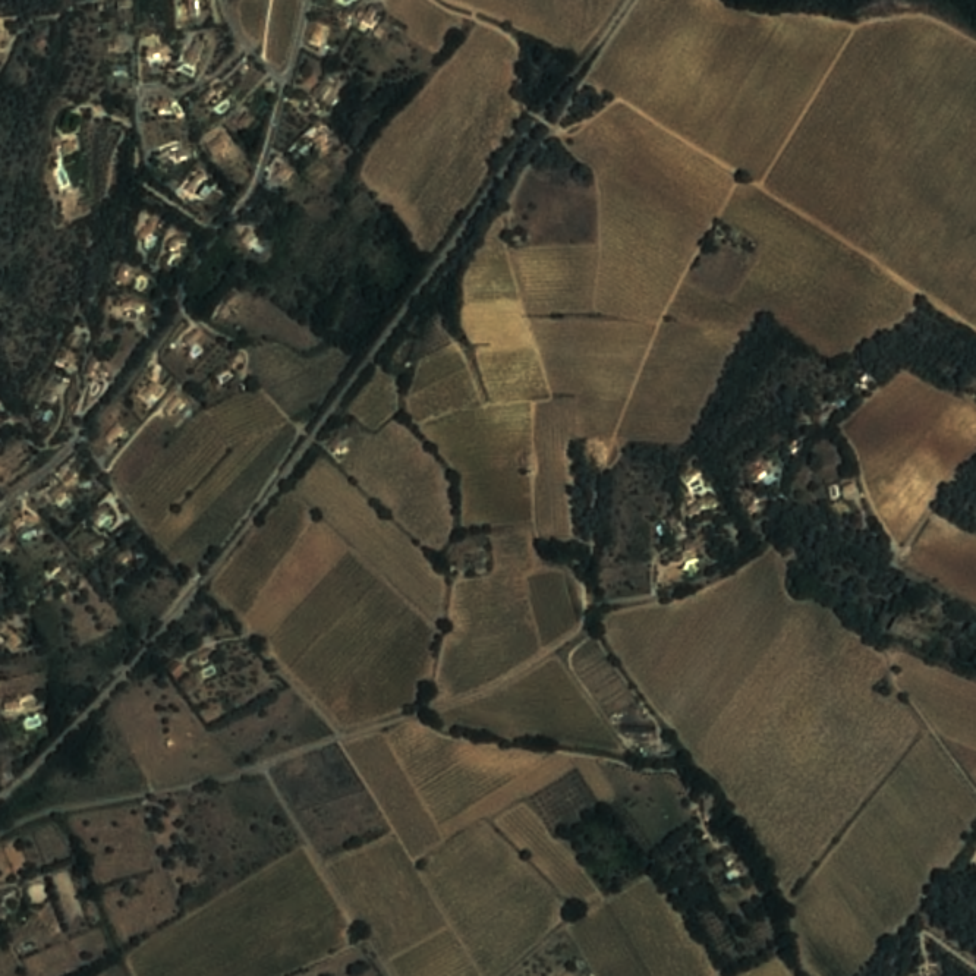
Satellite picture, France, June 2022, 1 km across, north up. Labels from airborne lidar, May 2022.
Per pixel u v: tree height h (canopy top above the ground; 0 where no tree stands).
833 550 11
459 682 0
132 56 6
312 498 0
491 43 0
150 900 0
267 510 8
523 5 0
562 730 0
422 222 0
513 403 0
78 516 10
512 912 0
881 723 0
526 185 0
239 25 0
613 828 6
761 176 0
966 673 6
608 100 13
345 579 0
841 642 0
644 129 0
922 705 0
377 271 6
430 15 0
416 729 0
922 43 0
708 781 13
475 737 15
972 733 0
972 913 23
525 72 17
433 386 0
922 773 0
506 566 0
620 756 6
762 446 8
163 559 13
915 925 18
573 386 0
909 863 0
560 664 0
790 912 17
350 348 17
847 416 11
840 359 10
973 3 12
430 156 0
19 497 0
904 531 0
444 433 0
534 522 0
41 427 8
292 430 0
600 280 0
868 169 0
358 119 21
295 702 0
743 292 0
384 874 0
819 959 0
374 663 0
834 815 0
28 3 11
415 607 0
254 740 0
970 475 18
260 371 0
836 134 0
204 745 0
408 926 0
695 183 0
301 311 9
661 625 0
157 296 12
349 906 0
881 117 0
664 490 6
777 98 0
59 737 10
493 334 0
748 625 0
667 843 12
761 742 0
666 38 0
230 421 0
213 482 0
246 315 0
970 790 0
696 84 0
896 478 0
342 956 0
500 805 0
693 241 0
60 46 9
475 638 0
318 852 0
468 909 0
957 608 14
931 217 0
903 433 0
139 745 0
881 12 0
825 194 0
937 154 0
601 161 0
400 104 15
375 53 0
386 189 0
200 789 8
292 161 7
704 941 12
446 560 13
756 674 0
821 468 20
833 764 0
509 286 0
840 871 0
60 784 0
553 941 0
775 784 0
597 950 0
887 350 17
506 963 0
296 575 0
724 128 0
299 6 0
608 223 0
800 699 0
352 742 0
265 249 0
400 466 0
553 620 0
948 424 0
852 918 0
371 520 0
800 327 0
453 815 0
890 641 14
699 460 7
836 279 0
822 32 0
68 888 0
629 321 0
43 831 0
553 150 13
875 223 0
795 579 11
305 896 0
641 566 0
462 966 0
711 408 8
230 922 0
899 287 0
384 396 0
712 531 10
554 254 0
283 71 0
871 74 0
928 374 6
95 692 11
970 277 0
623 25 0
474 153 0
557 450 0
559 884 0
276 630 0
